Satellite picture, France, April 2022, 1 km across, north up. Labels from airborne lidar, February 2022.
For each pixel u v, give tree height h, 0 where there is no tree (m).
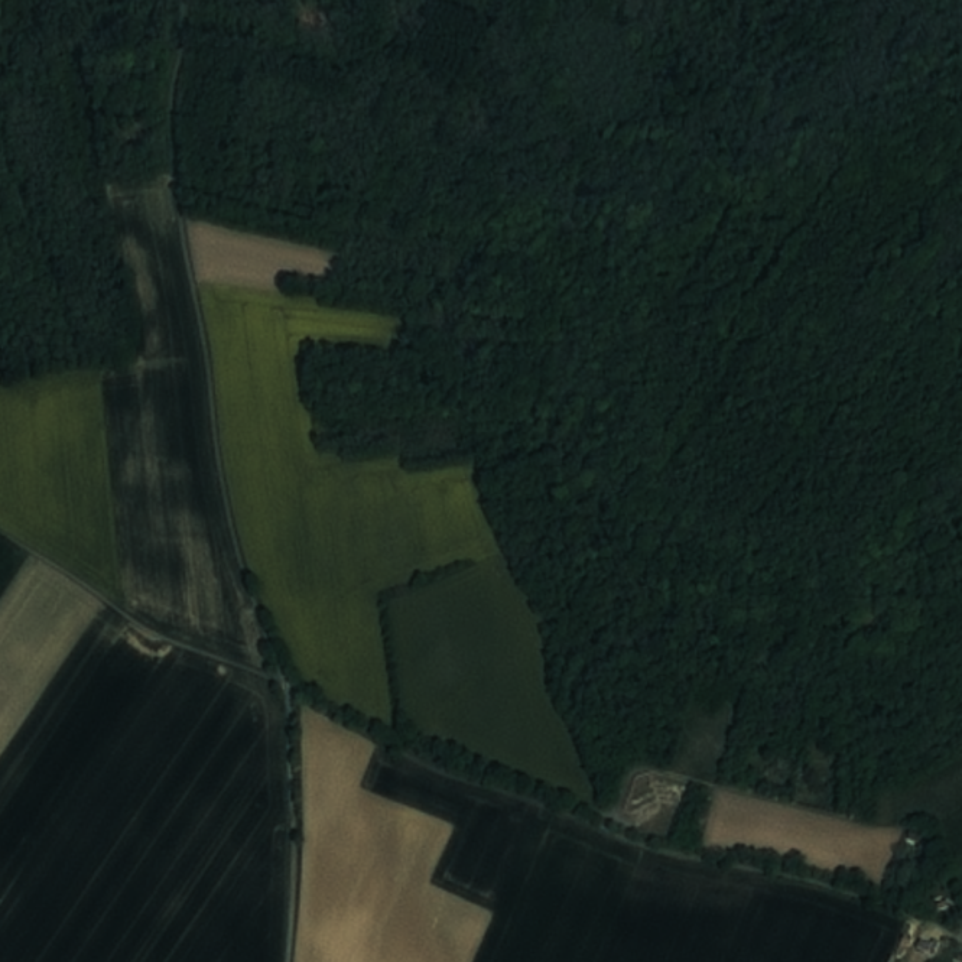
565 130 26
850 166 20
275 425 0
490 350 23
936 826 19
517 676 0
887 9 28
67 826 0
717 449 12
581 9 27
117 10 25
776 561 19
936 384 17
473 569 0
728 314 24
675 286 14
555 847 0
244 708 0
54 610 0
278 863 0
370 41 32
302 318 0
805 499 20
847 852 0
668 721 22
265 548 0
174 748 0
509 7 29
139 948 0
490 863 0
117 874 0
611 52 29
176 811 0
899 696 25
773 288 13
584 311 24
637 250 21
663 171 27
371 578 0
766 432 14
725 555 23
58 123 27
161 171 19
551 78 26
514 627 0
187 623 0
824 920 0
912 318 17
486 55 31
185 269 0
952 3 25
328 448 17
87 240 25
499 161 30
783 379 18
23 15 6
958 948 7
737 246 19
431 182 27
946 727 21
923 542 27
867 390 16
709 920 0
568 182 27
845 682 24
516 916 0
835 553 20
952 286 22
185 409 0
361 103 29
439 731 0
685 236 22
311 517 0
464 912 0
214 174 21
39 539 0
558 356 26
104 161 29
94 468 0
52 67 30
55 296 16
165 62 25
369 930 0
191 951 0
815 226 12
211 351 0
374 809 0
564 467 18
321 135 29
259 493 0
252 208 14
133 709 0
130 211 0
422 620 0
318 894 0
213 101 11
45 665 0
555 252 19
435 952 0
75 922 0
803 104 27
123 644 0
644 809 0
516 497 21
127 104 28
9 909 0
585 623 21
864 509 15
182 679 0
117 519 0
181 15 17
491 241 25
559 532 17
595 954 0
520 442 23
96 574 0
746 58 21
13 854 0
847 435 15
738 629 26
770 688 23
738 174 29
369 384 21
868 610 27
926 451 13
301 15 27
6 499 0
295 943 0
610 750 24
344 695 0
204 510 0
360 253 9
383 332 0
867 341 15
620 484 26
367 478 0
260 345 0
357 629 0
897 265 23
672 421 12
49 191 26
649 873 0
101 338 19
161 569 0
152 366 0
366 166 27
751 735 13
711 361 16
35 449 0
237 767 0
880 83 27
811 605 26
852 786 16
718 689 6
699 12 16
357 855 0
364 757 0
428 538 0
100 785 0
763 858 12
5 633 0
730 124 19
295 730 12
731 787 7
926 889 21
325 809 0
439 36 37
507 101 28
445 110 27
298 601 0
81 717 0
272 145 23
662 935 0
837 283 10
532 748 0
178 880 0
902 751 27
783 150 27
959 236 24
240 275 0
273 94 25
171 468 0
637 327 21
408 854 0
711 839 0
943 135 25
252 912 0
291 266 0
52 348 24
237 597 0
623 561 25
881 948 0
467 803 0
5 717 0
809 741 20
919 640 21
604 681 25
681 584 24
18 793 0
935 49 29
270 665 13
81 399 0
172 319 0
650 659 24
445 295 32
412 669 0
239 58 33
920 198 16
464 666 0
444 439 12
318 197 14
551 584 22
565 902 0
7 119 24
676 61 15
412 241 19
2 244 26
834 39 24
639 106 27
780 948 0
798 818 0
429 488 0
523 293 20
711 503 10
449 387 26
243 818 0
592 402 23
